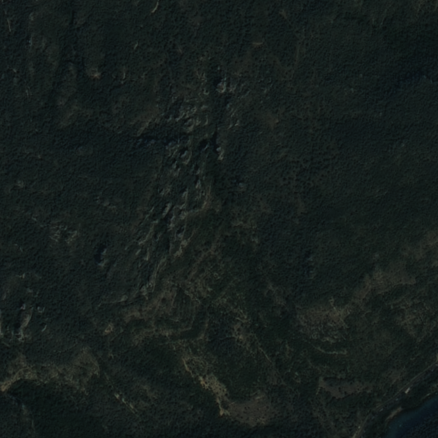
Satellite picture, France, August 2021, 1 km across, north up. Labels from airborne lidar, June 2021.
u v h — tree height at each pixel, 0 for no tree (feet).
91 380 25
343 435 22
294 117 31
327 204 31
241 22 24
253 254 22
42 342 25
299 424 30
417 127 32
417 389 41
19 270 29
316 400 22
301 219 25
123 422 43
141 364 28
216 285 20
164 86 24
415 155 34
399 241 21
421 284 27
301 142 34
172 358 19
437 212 21
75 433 29
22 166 23
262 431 60
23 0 18
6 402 22
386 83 34
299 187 18
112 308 34
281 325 28
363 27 27
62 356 29
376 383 21
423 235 23
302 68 25
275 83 31
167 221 22
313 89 23
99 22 23
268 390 22
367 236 19
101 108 38
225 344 32
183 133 35
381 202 31
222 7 25
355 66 44
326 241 24
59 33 25
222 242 18
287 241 35
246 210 19
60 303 35
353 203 20
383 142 25
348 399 34
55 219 21
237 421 26
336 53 20
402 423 0
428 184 22
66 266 20
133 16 23
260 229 33
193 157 23
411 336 19
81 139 38
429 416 78
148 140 29
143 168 19
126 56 27
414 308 22
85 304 31
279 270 23
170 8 27
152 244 27
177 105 27
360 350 22
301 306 18
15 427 25
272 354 20
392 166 23
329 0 43
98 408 25
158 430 29
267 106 22
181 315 23
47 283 19
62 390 39
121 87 28
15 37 19
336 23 39
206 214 19
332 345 18
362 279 55
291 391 28
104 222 34
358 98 21
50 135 26
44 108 44
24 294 20
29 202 33
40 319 48
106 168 27
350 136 33
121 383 22
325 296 28
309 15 27
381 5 29
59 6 33
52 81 25
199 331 27
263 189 33
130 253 29
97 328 20
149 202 35
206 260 30
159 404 21
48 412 29
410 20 34
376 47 30
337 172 22
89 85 45
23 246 25
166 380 27
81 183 20
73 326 27
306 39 29
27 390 33
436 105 19
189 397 27
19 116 24
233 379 20
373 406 26
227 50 28
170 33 24
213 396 30
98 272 38
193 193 19
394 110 27
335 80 22
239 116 19
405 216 23
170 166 38
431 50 23
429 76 27
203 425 36
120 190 22
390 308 18
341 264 26
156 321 31
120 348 30
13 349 27
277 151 23
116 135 50
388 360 19
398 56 24
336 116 21
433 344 18
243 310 20
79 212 27
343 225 24
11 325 41
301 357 20
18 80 25
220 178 20
